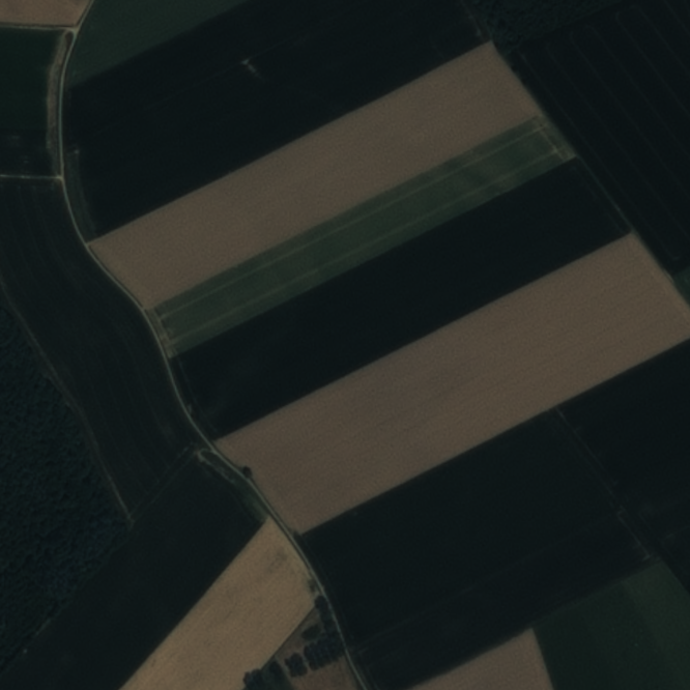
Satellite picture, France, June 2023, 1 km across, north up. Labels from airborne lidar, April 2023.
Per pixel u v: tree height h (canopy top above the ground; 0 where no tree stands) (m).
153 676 0
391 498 0
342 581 0
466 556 0
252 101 0
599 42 0
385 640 0
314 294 0
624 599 0
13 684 0
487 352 0
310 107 0
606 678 0
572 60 0
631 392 0
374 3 0
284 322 0
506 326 0
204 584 0
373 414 0
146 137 0
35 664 0
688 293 0
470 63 0
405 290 0
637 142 0
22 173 0
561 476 0
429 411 0
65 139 0
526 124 0
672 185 0
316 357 0
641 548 0
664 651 0
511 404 0
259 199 0
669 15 0
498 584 0
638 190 0
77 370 0
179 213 0
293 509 0
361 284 0
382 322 0
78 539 19
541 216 0
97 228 0
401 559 0
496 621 0
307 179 0
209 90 0
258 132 0
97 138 0
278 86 0
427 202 0
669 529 0
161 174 0
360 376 0
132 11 0
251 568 0
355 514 0
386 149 0
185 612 0
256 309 0
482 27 0
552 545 0
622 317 0
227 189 0
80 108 0
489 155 0
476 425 0
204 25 0
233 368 0
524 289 0
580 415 0
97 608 0
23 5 0
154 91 0
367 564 0
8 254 0
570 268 0
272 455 0
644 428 0
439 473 0
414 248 0
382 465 0
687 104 0
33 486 21
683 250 0
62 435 26
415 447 0
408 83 0
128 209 0
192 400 0
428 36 0
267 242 0
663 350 0
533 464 0
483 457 0
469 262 0
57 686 0
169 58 0
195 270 0
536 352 0
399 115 0
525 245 0
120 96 0
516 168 0
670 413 0
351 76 0
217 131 0
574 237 0
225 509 0
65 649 0
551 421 0
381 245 0
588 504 0
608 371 0
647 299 0
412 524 0
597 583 0
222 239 0
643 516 0
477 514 0
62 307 0
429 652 0
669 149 0
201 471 0
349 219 0
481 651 0
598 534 0
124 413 0
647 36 0
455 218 0
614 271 0
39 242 0
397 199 0
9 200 0
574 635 0
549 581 0
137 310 0
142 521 0
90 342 0
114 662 0
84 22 0
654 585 0
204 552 0
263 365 0
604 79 0
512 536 0
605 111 0
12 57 0
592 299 0
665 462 0
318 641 0
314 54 0
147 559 0
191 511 0
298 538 0
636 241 0
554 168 0
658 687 0
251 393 0
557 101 0
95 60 0
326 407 0
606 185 0
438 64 0
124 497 0
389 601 0
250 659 0
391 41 0
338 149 0
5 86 0
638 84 0
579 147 0
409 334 0
